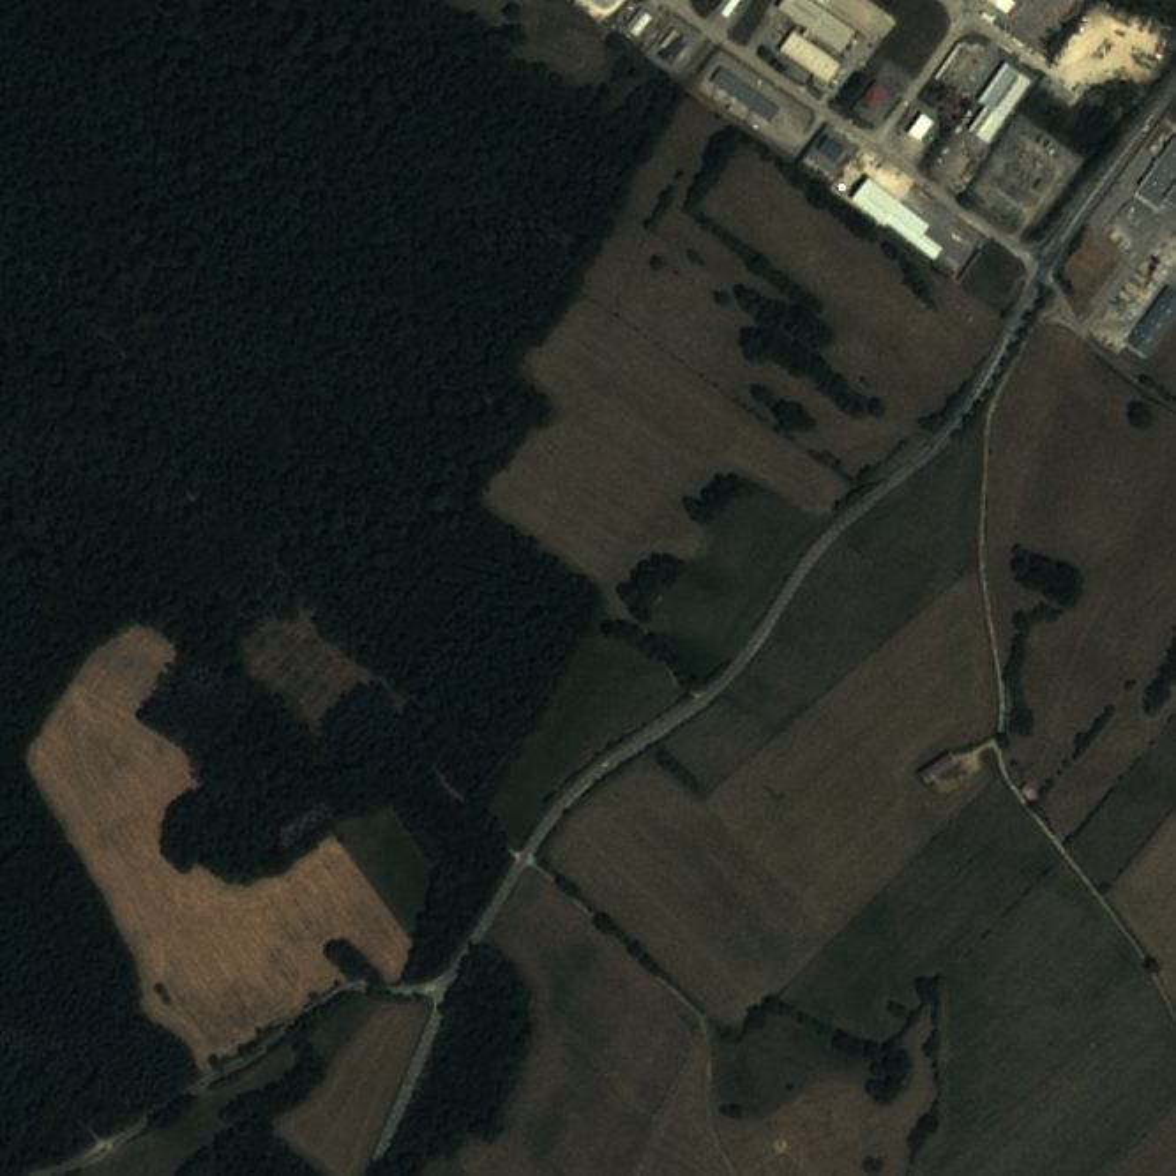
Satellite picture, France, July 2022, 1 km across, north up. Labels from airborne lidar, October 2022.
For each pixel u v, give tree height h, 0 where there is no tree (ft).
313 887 0
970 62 0
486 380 65
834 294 0
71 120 40
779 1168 0
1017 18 0
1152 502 0
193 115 79
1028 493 0
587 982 0
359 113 78
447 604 52
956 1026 0
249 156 63
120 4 32
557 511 0
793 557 0
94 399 92
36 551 21
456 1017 44
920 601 0
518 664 78
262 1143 24
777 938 0
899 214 0
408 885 0
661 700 0
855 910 0
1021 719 35
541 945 0
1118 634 0
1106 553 0
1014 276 0
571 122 71
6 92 53
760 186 0
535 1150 0
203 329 36
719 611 0
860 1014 0
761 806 0
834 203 24
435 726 73
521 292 59
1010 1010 0
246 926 0
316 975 0
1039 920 0
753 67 0
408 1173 55
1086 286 0
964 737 0
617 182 57
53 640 62
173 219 71
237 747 81
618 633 54
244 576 24
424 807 44
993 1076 0
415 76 73
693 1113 0
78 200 45
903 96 0
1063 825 0
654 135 48
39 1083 67
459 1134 54
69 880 66
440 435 59
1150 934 0
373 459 61
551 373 0
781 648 0
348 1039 0
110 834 0
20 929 73
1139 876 0
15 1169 41
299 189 57
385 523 79
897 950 0
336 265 52
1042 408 0
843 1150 0
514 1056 35
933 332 0
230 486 74
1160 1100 0
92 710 0
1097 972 0
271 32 39
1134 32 0
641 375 0
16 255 32
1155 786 0
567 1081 0
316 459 79
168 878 0
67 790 0
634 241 0
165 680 28
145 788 0
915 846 0
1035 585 48
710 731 0
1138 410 47
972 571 0
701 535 0
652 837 0
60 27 43
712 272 0
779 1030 0
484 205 32
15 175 46
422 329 70
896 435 0
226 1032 0
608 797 0
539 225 67
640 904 0
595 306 0
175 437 55
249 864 56
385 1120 0
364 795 66
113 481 53
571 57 0
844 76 0
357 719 76
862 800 0
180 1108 48
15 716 73
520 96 57
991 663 0
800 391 0
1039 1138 0
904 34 0
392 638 37
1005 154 0
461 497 36
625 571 0
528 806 0
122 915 0
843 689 0
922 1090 0
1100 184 0
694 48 0
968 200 42
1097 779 0
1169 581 0
